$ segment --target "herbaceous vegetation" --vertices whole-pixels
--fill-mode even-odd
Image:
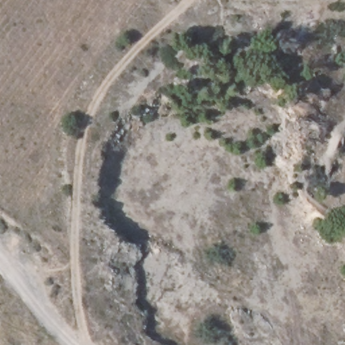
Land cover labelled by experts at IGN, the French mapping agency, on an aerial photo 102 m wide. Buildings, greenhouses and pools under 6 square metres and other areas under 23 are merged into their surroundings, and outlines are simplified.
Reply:
[[[26,239],[30,247],[38,252],[43,263],[50,268],[61,263],[61,253],[54,251],[40,234],[26,233]]]
[[[186,263],[185,252],[174,247],[171,240],[164,240],[163,236],[148,236],[148,245],[143,241],[137,247],[135,244],[120,241],[115,230],[101,220],[100,209],[93,205],[93,199],[98,195],[102,146],[108,142],[112,132],[117,128],[117,100],[127,101],[131,98],[128,89],[131,82],[142,81],[143,77],[147,77],[154,69],[155,62],[163,62],[162,73],[156,75],[146,86],[137,101],[139,105],[132,106],[131,111],[133,115],[140,117],[143,124],[151,123],[158,117],[177,119],[177,104],[167,96],[159,100],[155,97],[155,92],[164,85],[189,84],[189,81],[177,77],[178,67],[190,69],[195,65],[205,65],[203,58],[189,59],[185,51],[179,50],[175,53],[172,49],[175,34],[183,34],[191,27],[221,26],[224,27],[226,35],[234,36],[240,32],[263,31],[267,27],[275,27],[280,22],[292,22],[296,27],[314,27],[318,40],[311,42],[301,54],[286,54],[282,49],[274,50],[276,59],[287,74],[286,78],[282,80],[275,77],[268,84],[261,86],[264,89],[283,90],[282,96],[274,98],[276,105],[282,108],[299,105],[307,111],[307,115],[296,117],[299,121],[301,147],[306,154],[303,155],[302,162],[294,166],[292,195],[298,197],[298,190],[306,191],[309,194],[307,202],[325,217],[330,210],[345,205],[345,136],[338,143],[336,154],[333,155],[330,172],[325,172],[325,166],[318,163],[318,159],[327,150],[327,142],[334,127],[341,123],[345,116],[345,0],[199,0],[201,5],[197,11],[187,8],[170,27],[160,32],[146,49],[133,58],[131,65],[119,75],[115,84],[111,85],[102,98],[96,115],[90,116],[82,137],[86,140],[82,167],[80,232],[82,306],[85,310],[89,336],[97,345],[178,345],[175,341],[162,337],[162,334],[158,332],[158,323],[155,321],[158,309],[147,301],[144,261],[150,253],[148,247],[151,244],[167,249],[167,252],[177,253],[181,264]]]
[[[71,226],[71,217],[73,217],[73,208],[74,208],[74,201],[73,201],[73,194],[69,195],[69,197],[67,197],[67,198],[66,198],[66,201],[65,201],[65,214],[63,214],[63,216],[62,216],[63,224],[65,224],[65,225],[66,225],[66,228],[67,228],[67,230],[69,230],[69,229],[70,229],[70,226]]]
[[[73,185],[75,148],[78,139],[73,137],[67,147],[69,185]]]
[[[65,270],[55,272],[46,280],[46,284],[53,288],[50,299],[59,314],[65,318],[71,329],[77,330],[77,315],[71,292],[71,270]]]
[[[276,315],[268,314],[268,311],[261,311],[261,315],[253,317],[253,310],[248,309],[248,303],[245,302],[245,299],[252,296],[251,282],[257,274],[253,252],[271,260],[271,268],[267,268],[267,271],[272,271],[275,279],[283,275],[284,270],[288,270],[287,264],[283,264],[274,253],[270,233],[267,232],[271,224],[264,222],[267,220],[264,210],[270,206],[268,191],[264,189],[263,182],[251,182],[243,178],[230,179],[228,185],[214,189],[214,194],[217,195],[216,203],[209,210],[212,222],[199,226],[201,244],[194,247],[193,251],[193,270],[197,272],[195,279],[208,283],[209,287],[218,292],[220,298],[220,303],[216,303],[210,310],[203,305],[199,307],[198,310],[206,317],[203,322],[213,333],[213,342],[221,341],[224,345],[345,345],[345,239],[341,243],[327,243],[317,252],[318,264],[314,271],[301,275],[302,286],[284,291],[283,302],[291,307],[286,322],[280,321]],[[212,248],[213,244],[229,245],[236,252],[232,267],[210,263],[206,257],[206,249]]]
[[[0,275],[0,345],[61,345],[57,337],[39,322],[34,311],[23,302],[22,296],[12,287],[7,287],[3,276]]]
[[[240,155],[244,168],[248,168],[249,171],[260,171],[261,168],[272,166],[276,156],[272,151],[270,139],[260,147],[249,148]]]

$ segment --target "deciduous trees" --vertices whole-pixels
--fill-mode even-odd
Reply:
[[[341,243],[345,239],[345,205],[330,210],[325,217],[315,218],[313,226],[327,243]]]
[[[67,135],[73,137],[78,139],[82,137],[90,116],[85,113],[77,111],[63,116],[63,128]]]
[[[178,345],[224,345],[221,341],[213,342],[213,333],[203,322],[191,319],[189,341],[183,342],[183,332],[174,334],[170,330],[162,334],[162,337],[175,341]]]
[[[225,115],[230,109],[237,106],[251,108],[252,101],[248,100],[245,88],[261,86],[268,84],[275,77],[282,80],[286,78],[287,74],[276,59],[274,50],[282,49],[286,54],[301,54],[311,42],[318,40],[314,27],[296,27],[292,22],[280,22],[275,27],[267,27],[263,31],[240,32],[234,36],[226,35],[224,27],[221,26],[191,27],[183,34],[175,34],[172,49],[175,53],[179,50],[185,51],[189,59],[203,58],[205,65],[195,65],[190,69],[178,67],[177,77],[189,81],[189,84],[164,85],[155,92],[155,97],[159,100],[167,96],[177,104],[177,119],[181,120],[182,127],[206,121],[217,123],[220,116]]]

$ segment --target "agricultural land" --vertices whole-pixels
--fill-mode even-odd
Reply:
[[[67,198],[67,197],[69,197],[69,195],[73,194],[73,185],[69,185],[67,147],[73,137],[67,135],[63,128],[63,116],[77,111],[85,113],[92,102],[94,92],[104,81],[106,74],[123,58],[127,50],[121,51],[116,47],[116,40],[120,34],[136,30],[143,35],[163,18],[164,15],[158,5],[162,0],[0,0],[0,217],[8,225],[16,226],[15,233],[26,239],[26,233],[40,234],[54,251],[61,253],[61,263],[70,261],[70,236],[67,230],[67,228],[66,228],[66,225],[65,225],[65,224],[63,224],[62,216],[63,216],[63,214],[65,214],[65,201],[66,201],[66,198]]]

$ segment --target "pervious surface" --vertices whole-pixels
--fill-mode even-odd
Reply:
[[[158,309],[155,321],[158,323],[158,332],[162,334],[170,330],[174,334],[183,332],[183,342],[189,341],[191,319],[203,322],[206,317],[198,310],[199,307],[203,305],[210,310],[216,303],[220,303],[220,298],[218,292],[209,287],[208,283],[195,279],[197,272],[193,270],[193,251],[194,247],[201,244],[199,226],[212,222],[209,210],[216,203],[217,195],[214,194],[214,189],[228,185],[230,179],[243,178],[251,182],[263,182],[264,189],[268,191],[270,206],[264,210],[267,220],[264,222],[271,224],[267,232],[270,233],[274,253],[283,264],[287,264],[288,270],[284,270],[283,275],[275,279],[272,271],[267,271],[267,268],[271,268],[271,260],[253,252],[257,274],[251,282],[252,296],[245,299],[245,302],[248,303],[248,309],[253,310],[253,317],[261,315],[261,311],[268,311],[268,314],[276,315],[280,321],[286,322],[291,307],[283,302],[284,291],[302,286],[301,275],[314,271],[318,264],[317,252],[327,243],[313,226],[315,218],[325,217],[307,202],[309,194],[306,191],[298,190],[298,197],[292,195],[294,166],[302,162],[303,155],[306,154],[301,147],[299,121],[296,117],[307,115],[307,111],[299,105],[282,108],[276,105],[274,98],[282,96],[283,90],[264,89],[261,86],[245,88],[248,100],[252,101],[251,108],[237,106],[230,109],[225,115],[220,116],[217,123],[206,121],[182,127],[181,120],[177,119],[158,117],[151,123],[143,124],[140,117],[133,115],[131,111],[132,106],[139,105],[137,101],[146,86],[156,75],[162,73],[163,62],[155,62],[154,69],[147,77],[143,77],[142,81],[131,82],[128,89],[131,98],[127,101],[117,100],[117,128],[112,132],[108,142],[102,146],[98,195],[93,199],[93,205],[100,209],[101,220],[115,230],[120,241],[135,244],[137,247],[143,241],[148,245],[148,236],[163,236],[164,240],[171,240],[174,247],[185,252],[186,263],[181,264],[177,253],[167,252],[167,249],[151,244],[148,247],[150,253],[144,261],[147,301]],[[240,155],[225,150],[217,139],[206,139],[206,129],[216,129],[226,137],[243,142],[252,135],[253,128],[265,132],[270,125],[279,124],[279,131],[270,139],[272,151],[276,156],[272,166],[261,168],[260,171],[249,171],[248,168],[244,168]]]
[[[146,49],[160,32],[170,27],[187,8],[197,11],[201,5],[199,0],[162,0],[158,5],[164,15],[163,18],[143,35],[127,50],[123,58],[106,74],[104,81],[94,92],[92,102],[85,113],[90,116],[96,115],[102,98],[111,85],[115,84],[119,75],[131,65],[133,58]]]
[[[334,127],[327,142],[327,150],[318,159],[318,163],[325,166],[325,172],[330,172],[333,155],[336,154],[338,143],[345,136],[345,116],[341,123]]]
[[[74,208],[73,208],[73,217],[71,217],[71,226],[70,226],[70,229],[69,229],[69,230],[67,230],[70,236],[70,261],[61,263],[50,268],[43,263],[38,252],[30,247],[26,239],[15,233],[16,226],[8,225],[0,217],[0,275],[3,276],[7,287],[12,287],[22,296],[23,302],[34,311],[39,322],[57,337],[61,345],[97,345],[89,336],[85,310],[82,306],[80,232],[82,167],[86,140],[82,137],[78,139],[75,148],[73,185],[73,194],[73,201],[74,201]],[[71,329],[65,318],[59,314],[50,299],[53,288],[46,284],[46,280],[55,272],[65,270],[71,270],[71,292],[77,315],[77,330]]]

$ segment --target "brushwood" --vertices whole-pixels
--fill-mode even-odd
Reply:
[[[229,245],[213,244],[212,248],[206,249],[206,257],[210,263],[232,267],[236,252]]]
[[[270,125],[265,132],[253,128],[252,135],[243,142],[226,137],[216,129],[206,129],[206,139],[217,139],[225,150],[240,155],[249,148],[260,147],[270,139],[279,131],[279,124]]]
[[[120,34],[116,40],[116,47],[121,51],[127,50],[143,35],[136,30]]]

